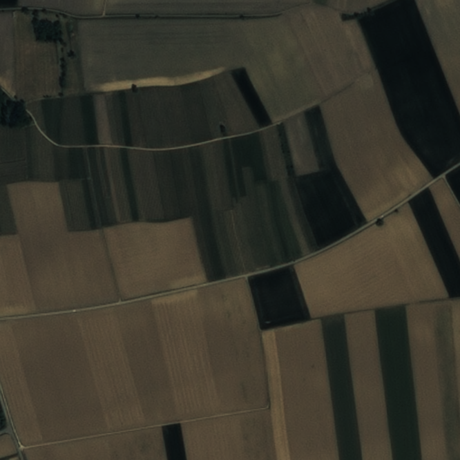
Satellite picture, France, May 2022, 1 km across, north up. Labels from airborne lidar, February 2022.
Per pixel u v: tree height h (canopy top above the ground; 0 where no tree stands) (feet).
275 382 0
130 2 0
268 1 0
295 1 0
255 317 0
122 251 0
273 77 0
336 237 0
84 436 0
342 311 0
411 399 0
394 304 0
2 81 0
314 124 0
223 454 0
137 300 0
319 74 0
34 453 0
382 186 0
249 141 0
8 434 0
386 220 0
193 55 0
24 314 0
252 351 0
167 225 0
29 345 0
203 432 0
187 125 0
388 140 0
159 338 0
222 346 0
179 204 0
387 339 0
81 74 0
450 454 0
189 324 0
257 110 0
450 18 0
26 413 0
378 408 0
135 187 0
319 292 0
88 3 0
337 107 0
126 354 0
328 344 0
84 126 0
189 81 0
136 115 0
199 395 0
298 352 0
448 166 0
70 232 0
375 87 0
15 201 0
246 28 0
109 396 0
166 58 0
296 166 0
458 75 0
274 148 0
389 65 0
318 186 0
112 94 0
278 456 0
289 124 0
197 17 0
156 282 0
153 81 0
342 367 0
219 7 0
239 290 0
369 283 0
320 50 0
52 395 0
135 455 0
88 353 0
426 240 0
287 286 0
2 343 0
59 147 0
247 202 0
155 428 0
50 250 0
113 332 0
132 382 0
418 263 0
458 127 0
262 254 0
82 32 0
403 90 0
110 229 0
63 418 0
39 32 65
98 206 0
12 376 0
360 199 0
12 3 0
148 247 0
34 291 0
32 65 0
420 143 0
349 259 0
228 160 0
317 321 0
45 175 0
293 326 0
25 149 0
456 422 0
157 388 0
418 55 0
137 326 0
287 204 0
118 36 0
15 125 64
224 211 0
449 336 0
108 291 0
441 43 0
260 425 0
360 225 0
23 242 0
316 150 0
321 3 0
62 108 0
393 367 0
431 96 0
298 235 0
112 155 0
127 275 0
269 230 0
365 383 0
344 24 0
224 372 0
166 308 0
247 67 0
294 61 0
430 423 0
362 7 0
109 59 0
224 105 0
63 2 0
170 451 0
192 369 0
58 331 0
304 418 0
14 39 0
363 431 0
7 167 0
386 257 0
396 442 0
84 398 0
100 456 0
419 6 0
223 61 0
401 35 0
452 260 0
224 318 0
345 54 0
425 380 0
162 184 0
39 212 0
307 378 0
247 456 0
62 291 0
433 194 0
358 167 0
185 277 0
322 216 0
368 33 0
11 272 0
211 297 0
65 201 0
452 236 0
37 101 0
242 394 0
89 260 0
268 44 0
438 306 0
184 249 0
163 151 0
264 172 0
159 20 0
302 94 0
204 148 0
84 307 0
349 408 0
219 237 0
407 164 0
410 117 0
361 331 0
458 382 0
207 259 0
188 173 0
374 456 0
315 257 0
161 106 0
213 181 0
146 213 0
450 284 0
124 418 0
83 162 0
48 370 0
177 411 0
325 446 0
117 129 0
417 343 0
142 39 0
